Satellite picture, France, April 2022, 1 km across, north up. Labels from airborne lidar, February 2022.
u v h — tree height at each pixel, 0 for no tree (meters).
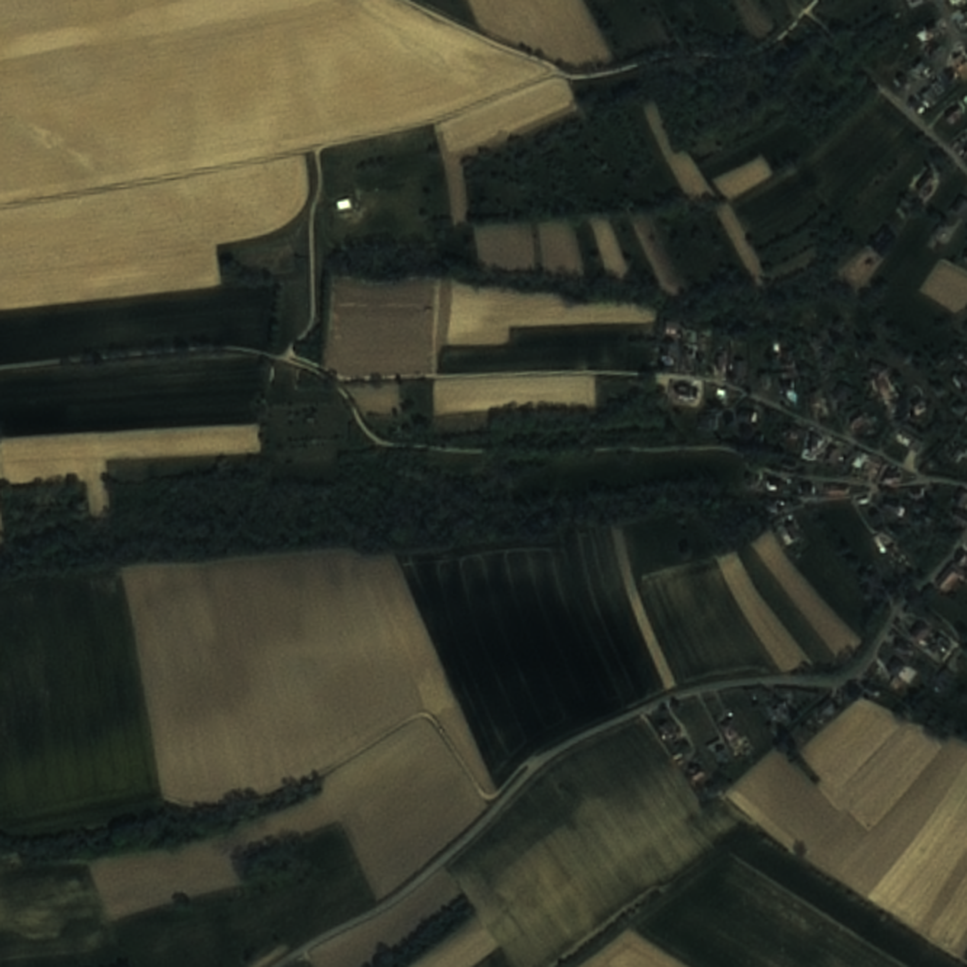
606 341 0
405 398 0
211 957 0
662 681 0
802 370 12
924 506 10
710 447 20
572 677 0
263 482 14
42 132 0
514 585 0
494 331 0
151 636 0
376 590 0
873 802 0
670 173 0
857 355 0
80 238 0
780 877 0
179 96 0
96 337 0
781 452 13
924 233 0
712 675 0
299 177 0
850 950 0
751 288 22
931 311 0
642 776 0
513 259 0
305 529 18
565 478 0
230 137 0
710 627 0
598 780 0
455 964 0
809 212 0
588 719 0
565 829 0
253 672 0
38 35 0
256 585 0
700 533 0
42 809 0
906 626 0
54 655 0
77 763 0
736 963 0
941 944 0
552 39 0
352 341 0
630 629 0
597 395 0
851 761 0
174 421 0
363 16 0
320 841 0
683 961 0
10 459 0
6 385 0
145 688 0
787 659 0
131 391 0
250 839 0
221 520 20
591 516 23
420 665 0
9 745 0
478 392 0
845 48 19
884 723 0
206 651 0
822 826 0
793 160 14
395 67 0
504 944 0
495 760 0
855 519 0
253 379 0
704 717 0
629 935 0
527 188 7
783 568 0
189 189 0
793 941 0
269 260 0
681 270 0
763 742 0
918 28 0
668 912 0
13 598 0
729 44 13
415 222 0
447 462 0
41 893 0
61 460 0
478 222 11
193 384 0
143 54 0
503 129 0
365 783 0
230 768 0
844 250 19
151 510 19
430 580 0
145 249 0
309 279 0
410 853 0
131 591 0
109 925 0
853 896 6
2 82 0
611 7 0
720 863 0
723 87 15
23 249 0
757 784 0
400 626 0
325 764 0
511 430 15
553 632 0
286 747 0
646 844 0
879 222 0
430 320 0
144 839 22
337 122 0
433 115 0
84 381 0
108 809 0
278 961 0
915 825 0
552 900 0
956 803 0
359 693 0
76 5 0
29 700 0
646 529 0
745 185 0
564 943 0
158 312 0
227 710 0
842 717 0
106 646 0
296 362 0
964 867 0
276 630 0
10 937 0
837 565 0
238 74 0
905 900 0
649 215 15
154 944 0
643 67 17
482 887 0
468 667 0
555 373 0
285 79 0
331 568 0
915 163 0
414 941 8
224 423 0
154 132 0
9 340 0
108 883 0
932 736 12
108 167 0
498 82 0
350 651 0
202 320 0
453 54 0
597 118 8
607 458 0
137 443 0
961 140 0
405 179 0
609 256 0
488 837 0
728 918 0
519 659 0
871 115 0
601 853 0
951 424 6
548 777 0
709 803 11
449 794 0
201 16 0
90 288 0
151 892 0
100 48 0
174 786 0
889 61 0
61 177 0
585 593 0
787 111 13
